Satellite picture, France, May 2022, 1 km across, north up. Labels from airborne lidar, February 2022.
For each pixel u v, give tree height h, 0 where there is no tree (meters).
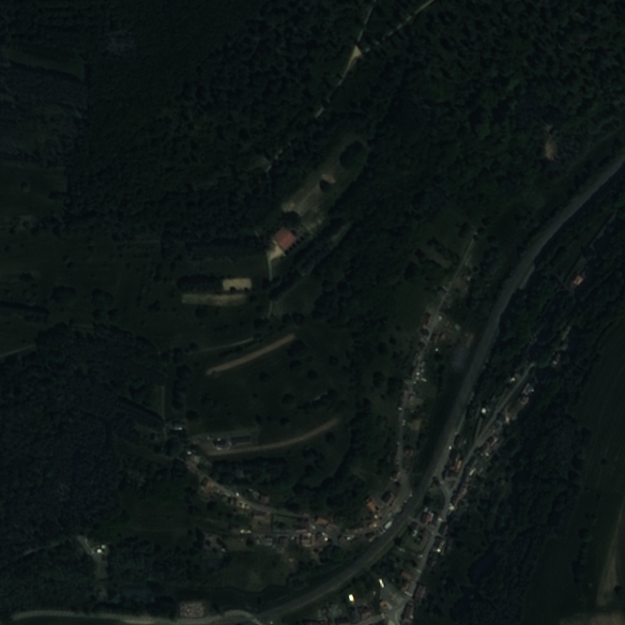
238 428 0
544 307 19
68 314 0
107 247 0
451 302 0
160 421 23
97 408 29
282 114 13
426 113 11
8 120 24
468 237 0
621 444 0
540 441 28
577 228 18
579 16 27
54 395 30
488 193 20
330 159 0
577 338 15
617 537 0
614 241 20
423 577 0
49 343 23
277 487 14
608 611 0
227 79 26
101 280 0
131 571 22
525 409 0
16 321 0
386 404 0
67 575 20
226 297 0
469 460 0
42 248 0
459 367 0
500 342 9
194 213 15
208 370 0
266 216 21
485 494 0
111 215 22
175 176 17
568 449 19
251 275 0
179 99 27
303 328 0
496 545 24
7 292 6
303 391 0
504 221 0
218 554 0
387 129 21
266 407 0
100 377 30
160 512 0
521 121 36
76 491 33
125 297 0
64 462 36
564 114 23
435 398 0
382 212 22
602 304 21
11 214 0
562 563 0
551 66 36
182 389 20
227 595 0
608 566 0
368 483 0
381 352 29
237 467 15
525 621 0
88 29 14
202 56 18
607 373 0
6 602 21
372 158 20
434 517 0
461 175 34
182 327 0
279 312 0
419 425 0
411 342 8
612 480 0
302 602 0
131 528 0
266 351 0
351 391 8
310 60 31
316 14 29
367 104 25
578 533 0
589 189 0
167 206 21
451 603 0
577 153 19
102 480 30
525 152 27
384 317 24
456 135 27
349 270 19
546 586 0
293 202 0
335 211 15
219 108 31
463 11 7
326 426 0
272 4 28
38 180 0
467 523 13
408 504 0
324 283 14
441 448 0
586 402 0
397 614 0
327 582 0
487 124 39
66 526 31
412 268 21
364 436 24
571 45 33
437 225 0
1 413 27
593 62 38
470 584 0
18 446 38
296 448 0
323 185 17
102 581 0
